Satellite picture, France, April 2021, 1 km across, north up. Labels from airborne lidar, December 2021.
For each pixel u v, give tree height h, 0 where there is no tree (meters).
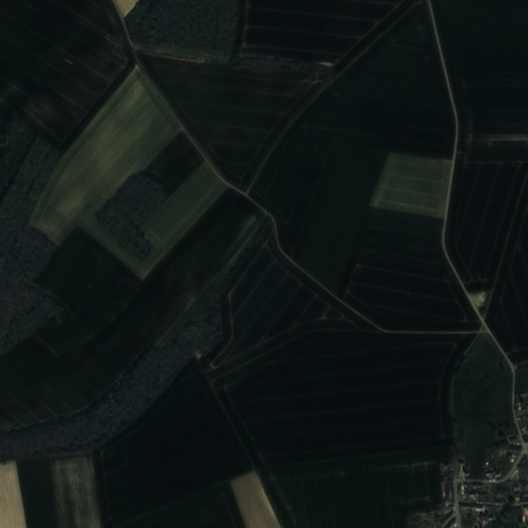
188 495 0
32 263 25
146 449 0
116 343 0
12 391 0
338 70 0
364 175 0
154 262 0
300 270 0
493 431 14
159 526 0
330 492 0
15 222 6
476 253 0
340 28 0
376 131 0
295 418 0
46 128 0
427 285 0
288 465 0
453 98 0
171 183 0
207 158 0
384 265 0
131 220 20
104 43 0
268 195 0
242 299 0
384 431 0
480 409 0
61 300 0
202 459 0
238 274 0
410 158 0
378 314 0
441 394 0
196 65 0
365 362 0
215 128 0
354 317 0
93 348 0
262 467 0
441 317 0
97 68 0
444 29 0
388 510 0
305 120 0
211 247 0
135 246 21
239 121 0
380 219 0
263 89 0
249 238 0
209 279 0
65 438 21
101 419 16
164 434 0
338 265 0
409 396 0
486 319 0
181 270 0
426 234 0
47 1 0
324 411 0
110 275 0
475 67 0
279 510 0
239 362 0
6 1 0
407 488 0
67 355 0
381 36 0
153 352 14
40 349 0
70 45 0
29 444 18
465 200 0
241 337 0
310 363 0
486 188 0
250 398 0
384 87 0
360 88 0
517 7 0
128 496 0
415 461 0
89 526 0
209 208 0
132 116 0
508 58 0
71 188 0
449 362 0
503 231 0
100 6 0
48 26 0
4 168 0
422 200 0
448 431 0
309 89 0
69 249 0
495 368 0
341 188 0
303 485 0
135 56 0
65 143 0
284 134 0
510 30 0
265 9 0
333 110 0
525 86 0
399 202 0
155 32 10
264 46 0
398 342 0
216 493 0
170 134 0
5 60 0
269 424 0
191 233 0
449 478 9
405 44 0
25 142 0
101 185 0
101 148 0
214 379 0
